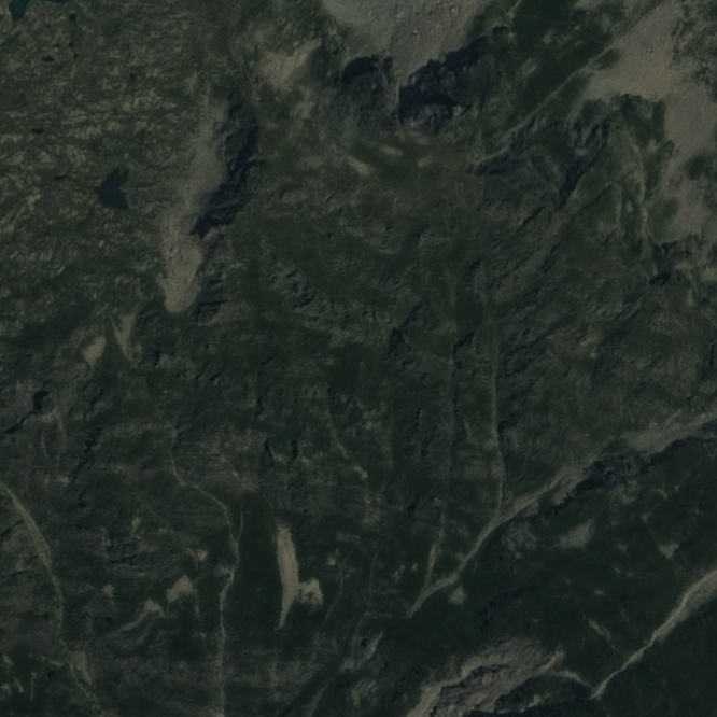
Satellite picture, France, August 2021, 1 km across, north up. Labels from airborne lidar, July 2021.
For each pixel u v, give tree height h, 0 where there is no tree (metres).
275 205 0
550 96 0
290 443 0
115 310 0
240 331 0
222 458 0
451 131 0
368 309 0
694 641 0
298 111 0
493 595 0
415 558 0
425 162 0
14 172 0
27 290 0
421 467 0
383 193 0
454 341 0
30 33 0
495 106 0
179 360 0
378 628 0
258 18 0
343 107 0
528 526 0
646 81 0
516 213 0
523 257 0
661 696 0
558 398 0
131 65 0
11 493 0
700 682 0
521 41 0
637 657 0
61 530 0
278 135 0
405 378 0
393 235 0
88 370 0
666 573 0
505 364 0
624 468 0
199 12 0
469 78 0
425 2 0
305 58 0
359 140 0
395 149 0
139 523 0
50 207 0
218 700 0
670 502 0
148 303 0
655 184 0
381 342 0
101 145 0
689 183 0
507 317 0
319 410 0
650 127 0
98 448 0
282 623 0
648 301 0
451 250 0
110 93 0
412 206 0
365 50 0
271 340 0
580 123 0
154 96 0
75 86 0
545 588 0
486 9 0
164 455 0
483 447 0
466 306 0
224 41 0
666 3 0
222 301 0
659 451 0
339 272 0
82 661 0
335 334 0
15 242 0
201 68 0
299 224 0
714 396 0
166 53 0
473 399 0
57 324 0
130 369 0
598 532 0
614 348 0
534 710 7
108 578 0
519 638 0
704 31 0
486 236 0
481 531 0
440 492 0
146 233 0
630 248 0
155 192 0
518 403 0
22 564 0
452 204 0
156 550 0
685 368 0
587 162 0
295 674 0
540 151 0
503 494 0
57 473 0
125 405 0
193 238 0
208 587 0
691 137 0
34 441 0
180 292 0
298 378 0
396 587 0
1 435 0
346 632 0
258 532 0
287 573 0
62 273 0
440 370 0
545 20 0
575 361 0
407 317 0
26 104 0
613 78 0
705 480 0
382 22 0
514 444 0
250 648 0
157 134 0
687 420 0
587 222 0
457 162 0
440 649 0
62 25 0
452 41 0
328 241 0
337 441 0
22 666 0
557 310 0
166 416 0
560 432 0
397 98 0
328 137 0
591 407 0
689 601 0
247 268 0
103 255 0
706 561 0
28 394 0
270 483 0
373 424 0
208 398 0
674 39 0
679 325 0
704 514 0
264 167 0
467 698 0
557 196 0
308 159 0
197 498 0
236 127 0
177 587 0
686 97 0
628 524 0
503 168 0
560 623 0
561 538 0
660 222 0
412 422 0
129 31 0
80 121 0
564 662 0
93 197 0
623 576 0
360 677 0
